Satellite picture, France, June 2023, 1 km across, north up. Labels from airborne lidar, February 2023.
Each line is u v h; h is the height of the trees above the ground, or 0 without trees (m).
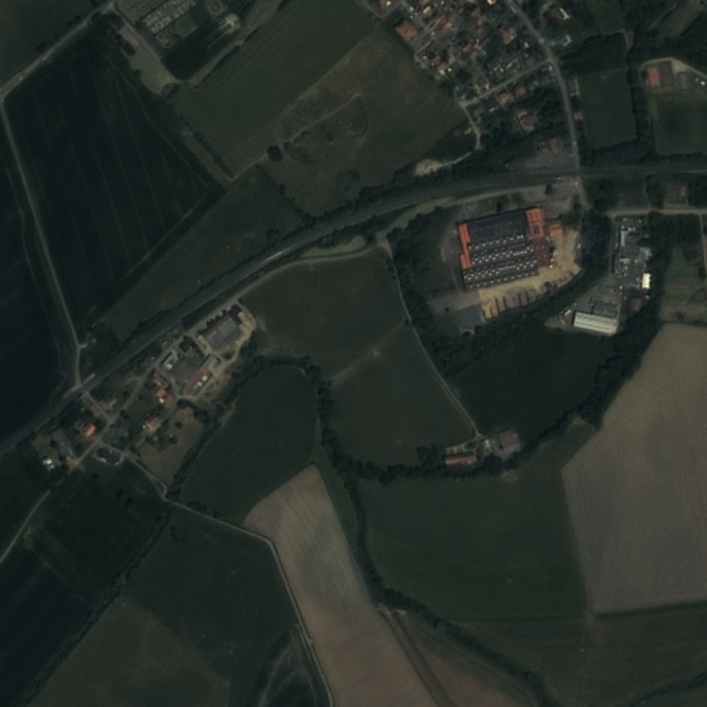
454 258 0
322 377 11
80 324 0
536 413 0
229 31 0
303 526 0
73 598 0
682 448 0
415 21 0
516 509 0
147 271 0
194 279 0
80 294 0
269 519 0
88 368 0
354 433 0
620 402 0
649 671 0
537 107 8
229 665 0
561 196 0
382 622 0
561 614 0
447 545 0
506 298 0
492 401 0
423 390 0
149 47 0
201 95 0
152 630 0
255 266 0
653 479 0
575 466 0
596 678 0
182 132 0
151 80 0
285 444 0
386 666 0
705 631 0
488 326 0
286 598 0
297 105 0
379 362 0
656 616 0
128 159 0
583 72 0
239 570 0
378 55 0
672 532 0
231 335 0
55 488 17
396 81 0
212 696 0
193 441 0
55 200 0
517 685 0
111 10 0
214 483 0
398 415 0
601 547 0
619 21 0
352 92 0
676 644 0
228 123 0
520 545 0
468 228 0
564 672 0
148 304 0
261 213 0
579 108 13
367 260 0
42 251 0
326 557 0
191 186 0
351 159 0
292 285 0
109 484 0
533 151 0
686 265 0
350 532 0
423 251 0
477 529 0
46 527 0
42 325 0
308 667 0
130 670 0
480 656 0
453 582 0
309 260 0
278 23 0
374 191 9
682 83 0
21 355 0
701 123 0
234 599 0
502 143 11
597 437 0
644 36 15
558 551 0
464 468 0
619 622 0
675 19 0
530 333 0
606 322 0
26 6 0
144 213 0
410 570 0
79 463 0
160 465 0
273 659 0
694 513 0
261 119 0
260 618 0
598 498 0
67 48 0
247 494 0
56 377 0
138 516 0
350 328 0
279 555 0
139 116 0
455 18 0
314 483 0
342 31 0
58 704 0
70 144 0
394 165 0
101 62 0
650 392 0
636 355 6
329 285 0
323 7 0
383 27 0
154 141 0
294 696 0
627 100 0
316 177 0
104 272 0
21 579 0
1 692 0
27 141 0
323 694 0
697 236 10
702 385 0
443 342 7
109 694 0
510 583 0
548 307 0
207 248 0
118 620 0
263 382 0
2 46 0
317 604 0
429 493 0
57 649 0
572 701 0
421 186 7
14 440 0
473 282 0
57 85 0
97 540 0
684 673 0
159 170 0
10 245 0
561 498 0
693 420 0
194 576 0
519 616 0
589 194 0
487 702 0
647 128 17
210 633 0
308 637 0
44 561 0
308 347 0
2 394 0
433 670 0
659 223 17
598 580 0
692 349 0
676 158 8
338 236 7
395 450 0
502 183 0
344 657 0
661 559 0
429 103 0
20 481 0
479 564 0
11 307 0
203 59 0
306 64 0
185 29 0
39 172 0
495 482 0
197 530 0
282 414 0
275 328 0
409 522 0
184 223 0
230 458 0
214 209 0
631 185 0
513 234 0
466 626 0
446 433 0
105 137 0
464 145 0
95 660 0
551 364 0
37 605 0
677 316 0
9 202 0
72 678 0
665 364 0
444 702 0
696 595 0
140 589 0
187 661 0
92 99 0
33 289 0
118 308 0
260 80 0
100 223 0
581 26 0
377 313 0
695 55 8
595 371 0
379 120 0
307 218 12
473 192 0
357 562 0
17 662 0
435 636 0
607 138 0
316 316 0
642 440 0
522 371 0
